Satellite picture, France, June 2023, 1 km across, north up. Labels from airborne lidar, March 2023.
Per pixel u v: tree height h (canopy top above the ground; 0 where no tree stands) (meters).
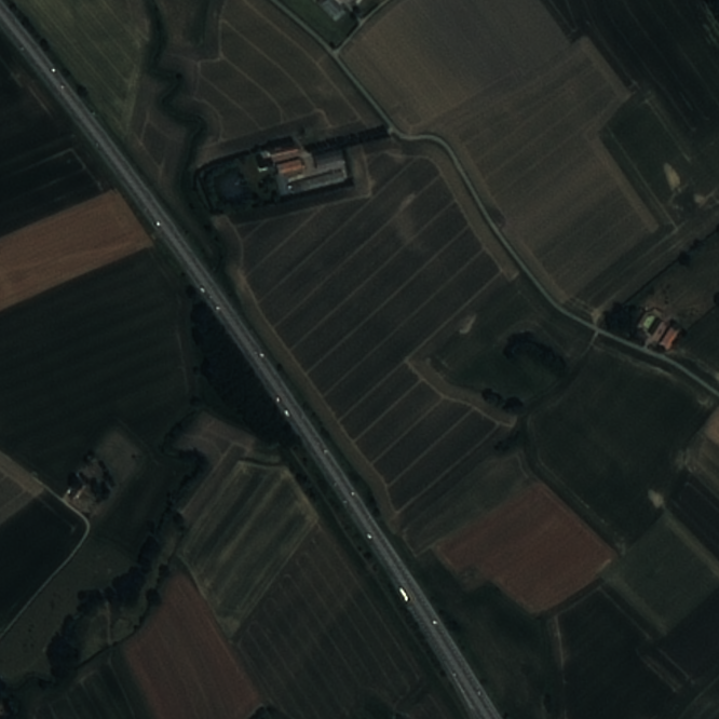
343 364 0
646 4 0
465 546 0
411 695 0
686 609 0
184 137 0
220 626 0
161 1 0
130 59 0
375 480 0
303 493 7
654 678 0
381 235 0
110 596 21
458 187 0
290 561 0
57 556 0
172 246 0
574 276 0
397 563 0
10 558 0
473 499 0
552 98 0
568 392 0
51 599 0
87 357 0
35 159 0
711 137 0
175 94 0
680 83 0
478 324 0
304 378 0
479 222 0
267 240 0
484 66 0
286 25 0
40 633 0
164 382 0
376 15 0
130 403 0
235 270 0
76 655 18
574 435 0
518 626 0
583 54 0
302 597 0
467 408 0
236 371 32
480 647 0
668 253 0
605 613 0
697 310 0
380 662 0
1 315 0
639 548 0
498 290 0
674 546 0
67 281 0
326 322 0
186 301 0
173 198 0
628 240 0
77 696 0
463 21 0
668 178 0
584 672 0
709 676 0
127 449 0
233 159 9
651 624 0
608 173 0
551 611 0
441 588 0
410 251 0
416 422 0
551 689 0
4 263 0
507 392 0
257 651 0
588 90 0
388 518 0
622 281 0
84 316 0
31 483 0
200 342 28
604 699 0
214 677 0
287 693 0
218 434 0
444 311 0
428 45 0
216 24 0
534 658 0
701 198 0
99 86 0
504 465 0
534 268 0
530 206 0
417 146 0
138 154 0
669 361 0
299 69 0
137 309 0
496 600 0
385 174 0
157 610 0
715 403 0
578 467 0
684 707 0
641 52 0
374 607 0
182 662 0
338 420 0
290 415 0
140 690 0
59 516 0
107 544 0
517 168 0
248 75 0
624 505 0
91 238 0
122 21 0
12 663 0
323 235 0
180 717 0
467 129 0
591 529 0
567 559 0
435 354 0
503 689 0
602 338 0
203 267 0
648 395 0
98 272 0
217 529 0
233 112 0
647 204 0
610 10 0
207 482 0
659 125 0
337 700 0
